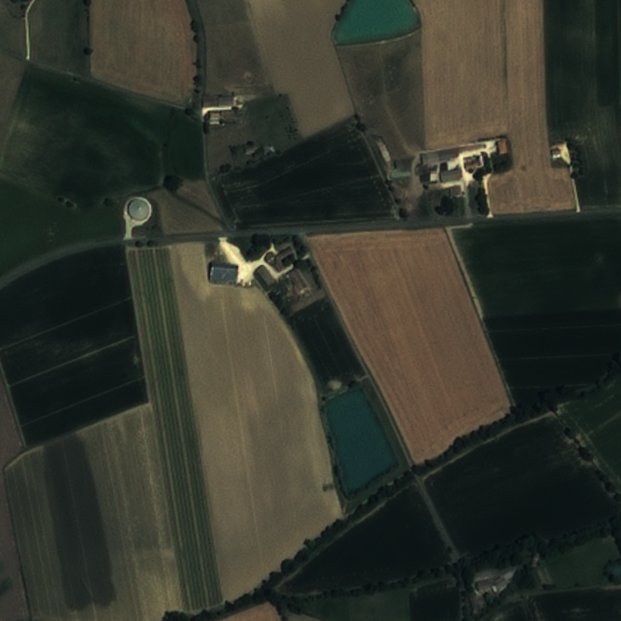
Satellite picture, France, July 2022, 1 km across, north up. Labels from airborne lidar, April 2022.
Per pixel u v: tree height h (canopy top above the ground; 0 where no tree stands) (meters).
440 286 0
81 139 0
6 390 0
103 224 0
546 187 0
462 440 14
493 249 0
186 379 0
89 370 0
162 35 0
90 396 0
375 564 0
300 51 0
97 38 0
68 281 0
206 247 0
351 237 0
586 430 0
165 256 0
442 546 0
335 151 0
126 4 0
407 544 0
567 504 0
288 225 0
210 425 0
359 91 0
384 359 0
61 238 0
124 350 0
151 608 0
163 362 0
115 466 0
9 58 0
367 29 0
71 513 0
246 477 0
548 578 0
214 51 0
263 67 0
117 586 0
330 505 0
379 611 0
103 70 0
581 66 0
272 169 0
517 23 0
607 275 0
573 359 0
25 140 0
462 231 0
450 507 0
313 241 0
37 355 0
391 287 0
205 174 0
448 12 0
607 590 0
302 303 0
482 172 8
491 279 0
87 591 0
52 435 0
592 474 0
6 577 0
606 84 0
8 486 0
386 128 0
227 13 0
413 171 0
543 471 0
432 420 0
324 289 0
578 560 0
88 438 0
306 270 0
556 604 0
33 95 0
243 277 0
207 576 0
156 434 0
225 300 0
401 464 0
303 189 0
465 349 0
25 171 0
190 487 0
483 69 0
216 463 0
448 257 0
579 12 0
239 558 0
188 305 0
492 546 0
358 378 0
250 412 0
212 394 0
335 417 0
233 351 0
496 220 0
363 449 0
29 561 0
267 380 0
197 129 0
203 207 0
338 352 0
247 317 0
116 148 0
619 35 0
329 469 0
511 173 0
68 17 0
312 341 0
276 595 9
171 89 0
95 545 0
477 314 0
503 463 0
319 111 0
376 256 0
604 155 0
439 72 0
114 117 0
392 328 0
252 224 0
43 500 0
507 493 0
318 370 0
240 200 0
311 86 0
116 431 0
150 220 0
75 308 0
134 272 0
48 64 0
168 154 0
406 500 0
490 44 0
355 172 0
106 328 0
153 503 0
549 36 0
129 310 0
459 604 0
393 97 0
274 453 0
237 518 0
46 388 0
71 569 0
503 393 0
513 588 12
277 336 0
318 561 0
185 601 0
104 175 0
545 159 0
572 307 0
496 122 0
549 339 0
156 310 0
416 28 0
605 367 0
